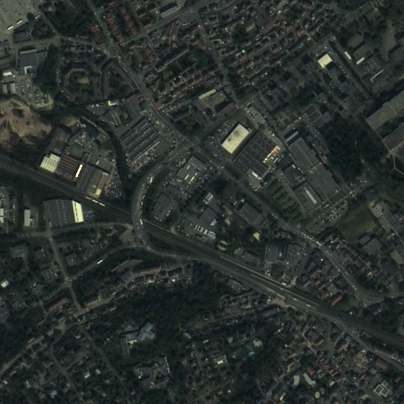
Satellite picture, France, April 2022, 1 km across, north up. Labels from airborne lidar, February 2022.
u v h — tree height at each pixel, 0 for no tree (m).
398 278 0
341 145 24
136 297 7
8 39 0
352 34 6
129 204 10
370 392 0
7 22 0
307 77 0
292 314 11
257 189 0
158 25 0
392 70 0
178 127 15
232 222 0
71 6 0
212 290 24
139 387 18
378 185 20
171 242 0
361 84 12
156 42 0
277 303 0
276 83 0
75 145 0
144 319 13
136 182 6
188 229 0
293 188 0
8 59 0
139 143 0
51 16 16
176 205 0
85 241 0
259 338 6
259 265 0
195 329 0
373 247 0
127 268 0
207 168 0
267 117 0
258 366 9
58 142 0
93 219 0
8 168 0
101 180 0
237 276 0
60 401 21
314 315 8
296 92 14
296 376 0
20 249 0
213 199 0
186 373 6
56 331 12
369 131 20
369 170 0
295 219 8
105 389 18
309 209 0
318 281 0
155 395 18
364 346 0
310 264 0
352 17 0
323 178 0
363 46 0
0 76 20
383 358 0
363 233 0
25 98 0
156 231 0
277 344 13
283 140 0
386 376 9
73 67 0
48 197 0
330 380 0
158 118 0
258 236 0
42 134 0
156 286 8
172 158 0
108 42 0
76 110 18
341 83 0
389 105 0
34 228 0
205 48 0
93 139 0
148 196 12
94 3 13
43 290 11
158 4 9
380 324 20
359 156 17
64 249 0
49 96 0
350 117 12
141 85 0
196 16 0
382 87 0
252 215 0
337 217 0
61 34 7
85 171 0
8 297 10
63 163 0
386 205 0
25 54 0
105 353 9
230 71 9
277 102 0
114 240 8
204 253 0
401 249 0
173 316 26
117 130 0
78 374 6
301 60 0
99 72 0
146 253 9
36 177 0
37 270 10
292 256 0
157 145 0
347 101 0
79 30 17
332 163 25
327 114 0
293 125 0
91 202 0
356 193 0
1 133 0
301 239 0
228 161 0
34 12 0
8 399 7
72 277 0
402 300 0
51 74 19
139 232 0
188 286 0
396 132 0
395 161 0
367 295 0
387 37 0
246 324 10
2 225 0
